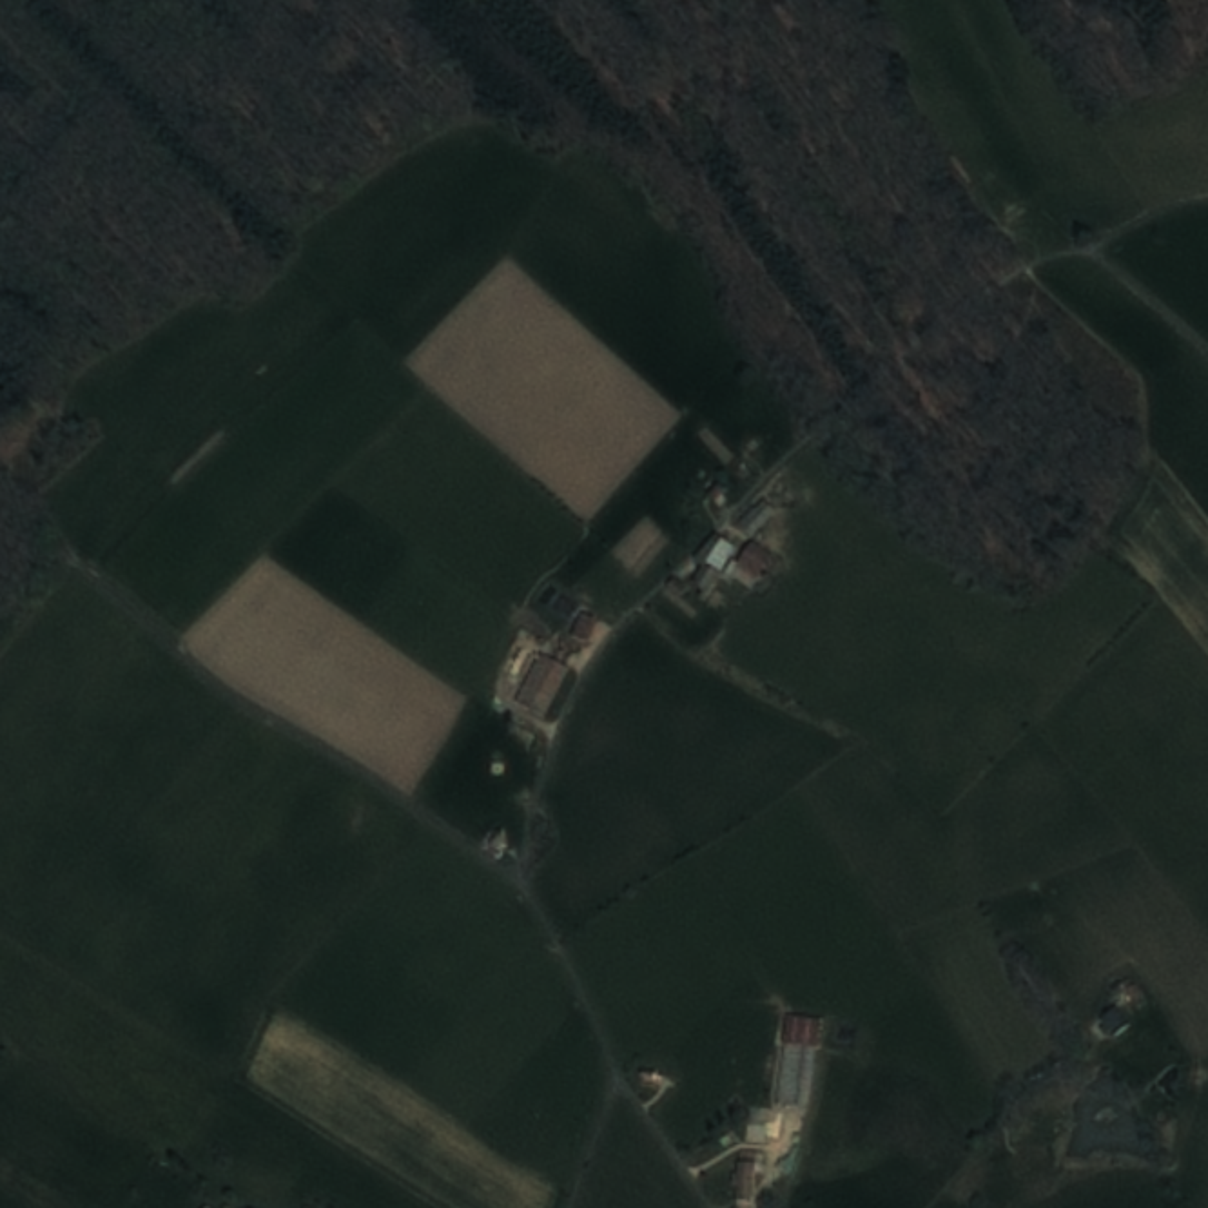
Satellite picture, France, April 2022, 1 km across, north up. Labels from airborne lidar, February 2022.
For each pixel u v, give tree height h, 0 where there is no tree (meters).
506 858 0
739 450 0
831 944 0
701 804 0
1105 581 0
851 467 24
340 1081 0
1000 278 28
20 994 0
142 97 28
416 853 0
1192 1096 0
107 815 0
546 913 0
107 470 0
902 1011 0
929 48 0
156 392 0
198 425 0
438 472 0
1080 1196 0
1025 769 0
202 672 0
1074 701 0
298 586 0
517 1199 0
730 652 0
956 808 0
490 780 0
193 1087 0
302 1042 0
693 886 0
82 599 0
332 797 0
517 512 0
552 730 0
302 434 0
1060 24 25
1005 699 0
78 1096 0
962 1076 0
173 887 0
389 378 0
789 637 0
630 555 0
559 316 0
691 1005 0
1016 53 0
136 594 0
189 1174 10
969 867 0
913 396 31
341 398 0
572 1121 0
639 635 0
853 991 0
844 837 0
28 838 0
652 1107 0
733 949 0
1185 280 0
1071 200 0
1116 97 32
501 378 0
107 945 0
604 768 0
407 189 0
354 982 0
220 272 28
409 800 0
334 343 0
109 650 0
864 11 23
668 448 0
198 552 0
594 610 0
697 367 0
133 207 29
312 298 0
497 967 0
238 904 0
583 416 0
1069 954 0
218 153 29
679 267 0
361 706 0
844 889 0
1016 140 0
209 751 0
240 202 24
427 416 0
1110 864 0
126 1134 0
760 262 14
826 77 27
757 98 15
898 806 0
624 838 0
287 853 0
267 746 0
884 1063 0
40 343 25
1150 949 0
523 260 0
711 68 25
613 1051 0
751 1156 0
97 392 0
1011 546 29
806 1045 0
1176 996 0
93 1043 0
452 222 0
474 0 23
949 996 0
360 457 0
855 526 0
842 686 0
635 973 0
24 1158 0
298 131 28
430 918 0
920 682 0
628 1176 0
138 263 29
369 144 33
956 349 27
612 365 0
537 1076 0
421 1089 0
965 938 0
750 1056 0
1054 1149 0
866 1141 0
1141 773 0
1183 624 0
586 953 0
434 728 0
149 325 12
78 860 0
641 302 0
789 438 0
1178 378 0
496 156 0
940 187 17
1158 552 0
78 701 0
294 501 0
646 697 0
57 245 22
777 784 0
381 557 0
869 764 0
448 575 0
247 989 0
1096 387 0
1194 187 0
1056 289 0
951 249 26
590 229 0
